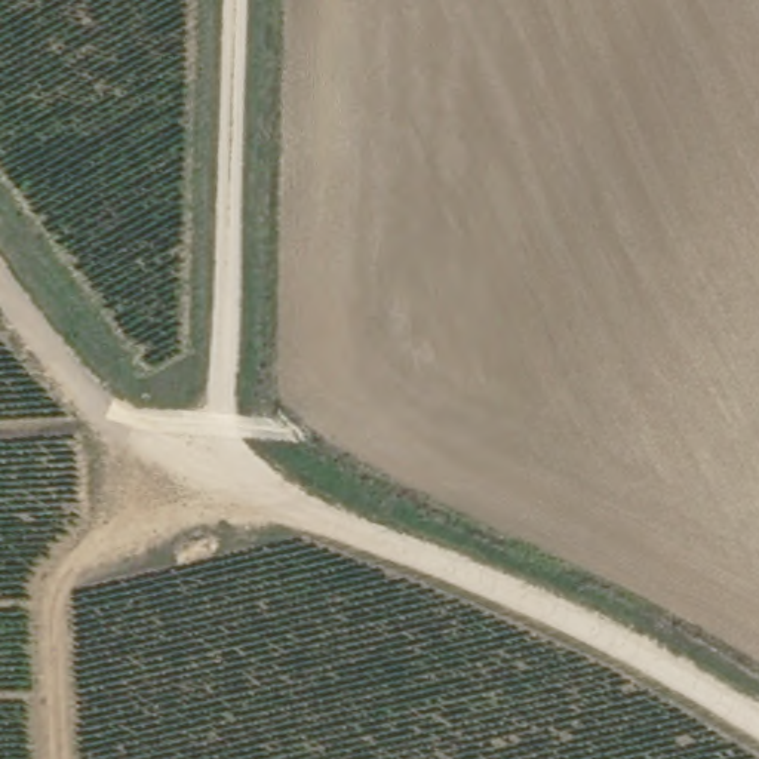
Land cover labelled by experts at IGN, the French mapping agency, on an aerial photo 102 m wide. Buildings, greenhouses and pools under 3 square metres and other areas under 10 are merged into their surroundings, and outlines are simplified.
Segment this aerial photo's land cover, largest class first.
<instances>
[{"label":"plowed land","instance_id":"1","mask_svg":"<svg viewBox=\"0 0 759 759\"><path fill-rule=\"evenodd\" d=\"M285 65L279 154V329L273 365L282 412L276 418L299 427L305 439L323 436L332 448L353 454L359 463H368L377 474H385L394 483L424 492L433 504L460 510L480 528H492L498 537L525 540L531 546H540L546 554L560 557L566 566L620 584L649 599L652 605H661L679 620L694 623L709 634L732 643L744 655H753L759 649V0H282Z\"/></svg>","mask_w":759,"mask_h":759},{"label":"vineyard","instance_id":"2","mask_svg":"<svg viewBox=\"0 0 759 759\"><path fill-rule=\"evenodd\" d=\"M184 0H0V166L24 190L33 211L44 216V225L56 234V240L77 258V267L89 276L95 291L104 294L107 308H113L122 329L133 341L145 344V362L157 365L169 359L178 350L181 261L175 246L181 243L184 169ZM83 421L77 409L50 397L39 382L0 341V759H30L27 715H39L44 709V694L33 685L27 655V581L33 575L36 560L47 557L50 546L71 525H77V513H62V504H71L77 498L71 439ZM71 670L77 694L80 759H759V732H741L729 720L688 700L685 694L661 685L658 679L640 673L637 667L611 658L608 652L566 632H557L540 620L510 611L477 593H468L457 584L377 557L371 551H359L338 540L302 534L285 525L261 528L258 543L246 551L211 554L193 563H175L163 572L86 584L71 590Z\"/></svg>","mask_w":759,"mask_h":759},{"label":"herbaceous vegetation","instance_id":"3","mask_svg":"<svg viewBox=\"0 0 759 759\"><path fill-rule=\"evenodd\" d=\"M222 0H184V169L181 243L175 246L181 261L178 350L169 359L157 365L145 362V344L133 341L122 329L113 308H107L104 294L95 291L89 276L77 267V258L56 240V234L44 225V216L33 211L24 190L0 166V258L12 279L21 285V291L30 296V302L50 323V329L62 335V341L80 359V365L101 380V385L113 397L127 400L139 409L202 406L211 368L216 264ZM282 0H249L240 193L237 412L252 418H276L282 412L273 365L279 329V154L285 65ZM0 341L39 382L44 377L42 362L36 359V353L24 350L18 332L6 326L0 308ZM77 498L71 504H62V513H77V525H71L50 546L47 557L36 560L33 575L27 581V593L39 599L44 581L56 569V560L74 551L98 525L104 486V445L98 442L95 430L83 421L71 439ZM246 445L261 460H267L279 474L299 483L308 495L344 507L374 525H385L397 534L436 543L477 563L516 575L528 584L546 587L587 611H596L637 634H646L658 646L694 661L703 673H712L732 691L747 694L759 703V649L753 655H744L732 643L709 634L694 623L679 620L661 605H652L649 599L620 584L566 566L560 557L546 554L540 546H531L525 540L498 537L492 528H480L460 510L433 504L424 492L394 483L385 474H377L368 463H359L353 454L332 448L323 436L305 439H246ZM261 528H240L231 522L190 525L166 537L160 546H151L145 554H130L116 563L83 572L86 584L163 572L175 563H193L211 554L246 551L258 543Z\"/></svg>","mask_w":759,"mask_h":759},{"label":"pervious surface","instance_id":"4","mask_svg":"<svg viewBox=\"0 0 759 759\"><path fill-rule=\"evenodd\" d=\"M249 0H222L216 264L211 368L202 406L139 409L127 400L113 397L101 385V380L80 365V359L62 341V335L50 329V323L30 302V296L21 291V285L12 279L0 258V308L6 326L18 332L24 350L36 353V359L42 362L44 377L39 382L50 397L77 409L83 421L95 430L98 442L104 445V486L98 525L74 551L56 560V569L44 581L39 599L27 593V655L33 685L44 694V709L39 715H27L30 759H80L77 694L71 670V590L86 584L83 572L116 563L130 554H145L151 546H160L166 537L190 525L231 522L240 528H261L285 525L302 534L338 540L359 551H371L377 557L457 584L468 593H477L510 611L540 620L557 632H566L608 652L611 658L637 667L640 673L658 679L661 685L685 694L688 700L729 720L741 732H759V703L747 694L732 691L712 673H703L694 661L658 646L646 634H637L596 611H587L546 587L528 584L516 575L477 563L436 543L397 534L385 525H374L344 507L308 495L299 483L279 474L267 460H261L246 445V439H305L299 427L276 418H252L237 412L240 193Z\"/></svg>","mask_w":759,"mask_h":759}]
</instances>
